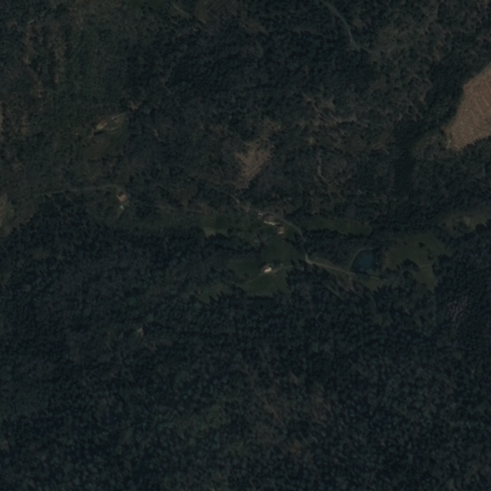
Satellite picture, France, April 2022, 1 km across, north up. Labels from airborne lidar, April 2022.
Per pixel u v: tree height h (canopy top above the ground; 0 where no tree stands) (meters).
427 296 11
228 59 7
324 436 34
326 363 24
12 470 29
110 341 19
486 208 14
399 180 22
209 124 18
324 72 16
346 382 21
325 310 32
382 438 22
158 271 8
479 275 27
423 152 14
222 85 16
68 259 21
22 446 23
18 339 28
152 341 19
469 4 27
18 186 9
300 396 15
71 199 18
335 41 9
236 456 6
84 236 20
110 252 25
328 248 20
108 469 21
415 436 32
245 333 25
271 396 18
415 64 22
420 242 0
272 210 15
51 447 21
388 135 0
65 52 9
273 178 26
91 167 22
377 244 21
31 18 24
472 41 15
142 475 16
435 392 33
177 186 23
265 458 19
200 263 23
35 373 24
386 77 11
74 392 25
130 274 30
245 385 6
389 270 0
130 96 16
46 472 35
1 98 26
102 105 12
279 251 0
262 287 0
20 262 12
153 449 16
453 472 6
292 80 31
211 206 14
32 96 13
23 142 8
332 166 20
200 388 18
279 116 28
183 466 18
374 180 30
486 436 28
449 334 27
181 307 24
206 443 6
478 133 0
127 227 16
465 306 30
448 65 20
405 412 27
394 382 32
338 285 18
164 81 6
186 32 30
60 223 32
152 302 8
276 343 28
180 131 23
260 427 13
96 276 28
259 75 25
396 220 17
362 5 8
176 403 7
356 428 28
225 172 19
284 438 32
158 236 14
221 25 10
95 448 24
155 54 18
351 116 20
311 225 0
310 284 33
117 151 6
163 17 21
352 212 31
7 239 7
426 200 18
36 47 26
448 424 25
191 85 25
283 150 34
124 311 23
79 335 25
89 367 11
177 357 14
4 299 31
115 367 20
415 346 26
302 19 11
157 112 21
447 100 17
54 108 14
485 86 0
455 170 15
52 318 18
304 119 18
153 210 9
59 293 28
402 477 31
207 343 19
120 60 23
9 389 26
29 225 12
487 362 28
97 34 14
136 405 11
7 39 21
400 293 16
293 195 23
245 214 20
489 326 28
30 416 19
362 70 20
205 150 29
